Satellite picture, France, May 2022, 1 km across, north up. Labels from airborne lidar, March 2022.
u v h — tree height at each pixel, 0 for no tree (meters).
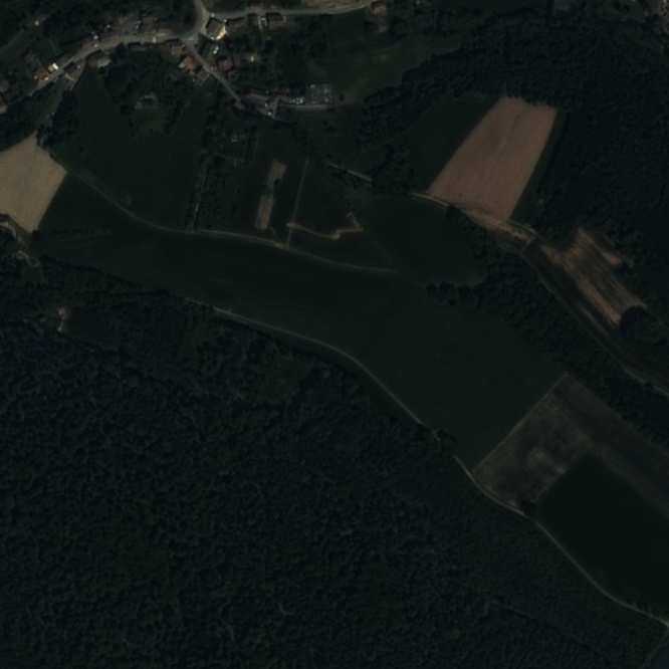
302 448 29
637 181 15
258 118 26
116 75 20
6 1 8
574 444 0
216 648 28
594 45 16
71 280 29
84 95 0
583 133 13
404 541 17
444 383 0
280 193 0
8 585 19
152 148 0
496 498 0
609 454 0
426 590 34
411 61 0
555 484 0
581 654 22
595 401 0
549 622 8
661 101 11
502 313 23
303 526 14
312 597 20
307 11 0
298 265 0
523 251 0
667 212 18
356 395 28
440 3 0
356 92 0
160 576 20
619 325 0
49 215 0
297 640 28
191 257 0
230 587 25
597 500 0
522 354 0
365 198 0
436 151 0
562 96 20
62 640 22
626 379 15
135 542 20
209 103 0
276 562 20
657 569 0
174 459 22
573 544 0
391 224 0
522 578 8
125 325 21
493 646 18
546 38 10
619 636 15
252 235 0
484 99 0
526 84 22
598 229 21
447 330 0
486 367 0
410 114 21
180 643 17
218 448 28
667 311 22
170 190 0
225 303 0
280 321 0
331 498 21
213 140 13
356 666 22
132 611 30
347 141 0
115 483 16
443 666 25
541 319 26
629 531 0
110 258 0
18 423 33
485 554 7
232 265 0
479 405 0
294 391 0
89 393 19
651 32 25
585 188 17
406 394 0
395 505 31
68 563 17
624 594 0
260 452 21
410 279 0
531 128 0
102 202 0
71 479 23
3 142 21
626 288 0
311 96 0
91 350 16
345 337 0
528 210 0
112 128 0
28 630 26
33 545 23
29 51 7
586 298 0
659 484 0
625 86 14
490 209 0
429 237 0
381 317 0
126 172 0
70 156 0
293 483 23
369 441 22
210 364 8
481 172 0
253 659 26
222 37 0
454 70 11
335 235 0
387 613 28
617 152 17
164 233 0
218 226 0
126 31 0
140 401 23
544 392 0
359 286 0
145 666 29
